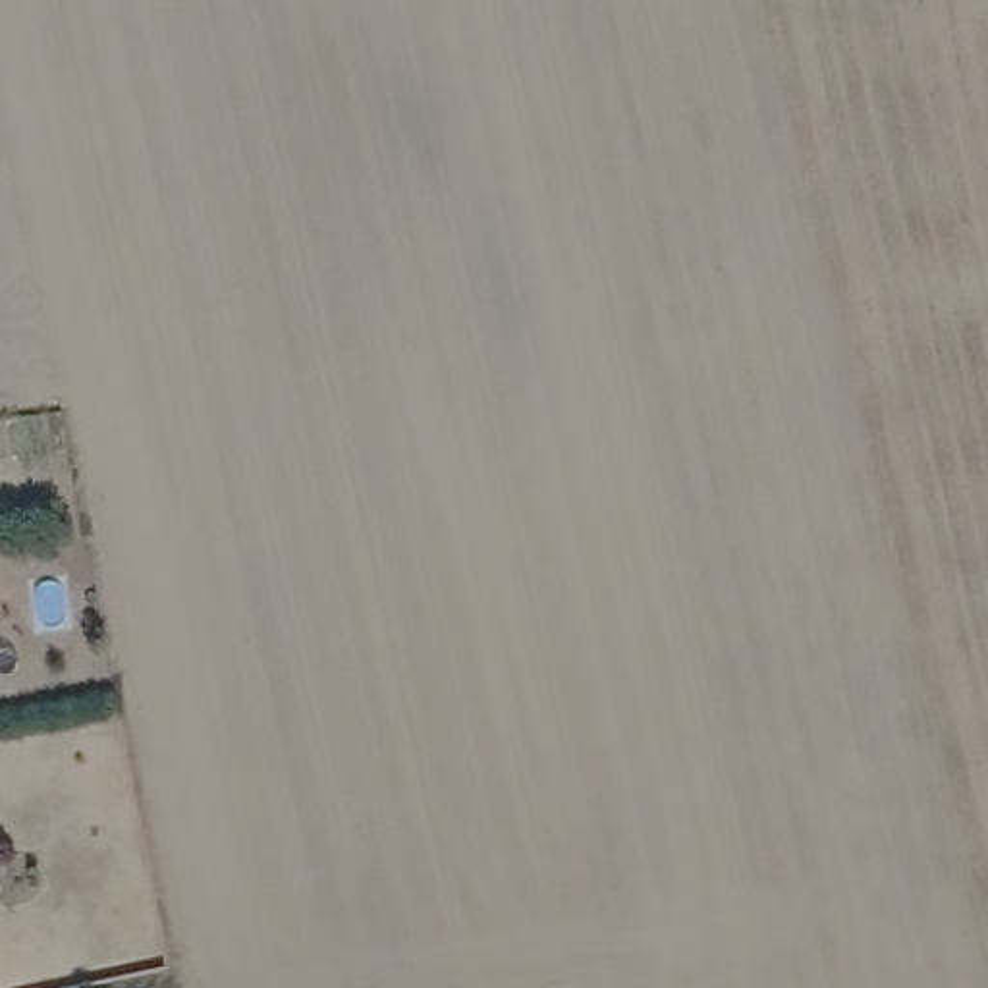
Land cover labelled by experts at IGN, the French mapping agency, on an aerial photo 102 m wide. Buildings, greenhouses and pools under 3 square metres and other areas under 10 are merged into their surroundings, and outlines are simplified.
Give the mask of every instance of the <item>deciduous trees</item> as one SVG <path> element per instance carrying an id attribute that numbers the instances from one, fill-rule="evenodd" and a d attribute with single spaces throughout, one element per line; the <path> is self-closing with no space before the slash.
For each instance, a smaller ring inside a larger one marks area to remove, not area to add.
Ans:
<path id="1" fill-rule="evenodd" d="M 69 509 L 62 498 L 54 498 L 46 509 L 0 513 L 0 552 L 35 560 L 58 556 L 58 548 L 69 536 Z"/>

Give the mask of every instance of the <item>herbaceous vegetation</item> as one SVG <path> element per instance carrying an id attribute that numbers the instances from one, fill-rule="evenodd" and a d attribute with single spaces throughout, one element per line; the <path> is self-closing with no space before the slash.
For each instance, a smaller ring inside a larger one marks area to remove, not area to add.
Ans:
<path id="1" fill-rule="evenodd" d="M 0 552 L 0 699 L 85 679 L 120 683 L 139 660 L 147 668 L 162 668 L 158 633 L 131 648 L 124 637 L 104 629 L 100 563 L 93 544 L 93 521 L 85 509 L 85 479 L 69 417 L 62 405 L 0 405 L 0 513 L 46 509 L 54 498 L 62 498 L 69 509 L 69 536 L 58 548 L 58 556 L 35 560 Z M 69 583 L 69 606 L 81 614 L 73 629 L 54 637 L 31 629 L 31 590 L 39 590 L 42 583 Z"/>
<path id="2" fill-rule="evenodd" d="M 162 949 L 162 926 L 151 876 L 143 865 L 139 814 L 124 753 L 124 737 L 135 733 L 135 722 L 120 710 L 104 722 L 0 741 L 0 988 L 178 988 L 174 976 L 162 976 L 158 969 L 162 957 L 154 957 Z"/>

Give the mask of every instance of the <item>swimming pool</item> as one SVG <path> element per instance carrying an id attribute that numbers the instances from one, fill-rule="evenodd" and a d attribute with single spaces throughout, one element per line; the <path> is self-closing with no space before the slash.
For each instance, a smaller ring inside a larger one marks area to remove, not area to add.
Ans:
<path id="1" fill-rule="evenodd" d="M 39 590 L 31 590 L 31 629 L 54 637 L 73 629 L 81 614 L 69 606 L 69 583 L 42 583 Z"/>

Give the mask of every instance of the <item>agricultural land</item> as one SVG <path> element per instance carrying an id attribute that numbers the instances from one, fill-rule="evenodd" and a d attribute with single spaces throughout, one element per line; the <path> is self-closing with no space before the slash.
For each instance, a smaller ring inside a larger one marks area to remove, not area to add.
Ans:
<path id="1" fill-rule="evenodd" d="M 0 0 L 0 405 L 62 405 L 69 417 L 85 479 L 85 509 L 93 521 L 93 544 L 100 563 L 104 629 L 124 637 L 131 648 L 158 633 L 162 668 L 147 668 L 139 660 L 120 683 L 120 710 L 135 722 L 135 733 L 124 737 L 124 753 L 139 814 L 143 865 L 151 876 L 162 926 L 162 949 L 154 957 L 162 957 L 158 969 L 162 976 L 174 976 L 178 988 L 988 988 L 988 0 Z"/>

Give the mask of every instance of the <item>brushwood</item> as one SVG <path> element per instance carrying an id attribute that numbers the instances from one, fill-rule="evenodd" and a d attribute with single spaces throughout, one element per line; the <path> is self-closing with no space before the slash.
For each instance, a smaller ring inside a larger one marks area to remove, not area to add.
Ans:
<path id="1" fill-rule="evenodd" d="M 120 683 L 85 679 L 0 699 L 0 741 L 104 722 L 120 710 Z"/>

